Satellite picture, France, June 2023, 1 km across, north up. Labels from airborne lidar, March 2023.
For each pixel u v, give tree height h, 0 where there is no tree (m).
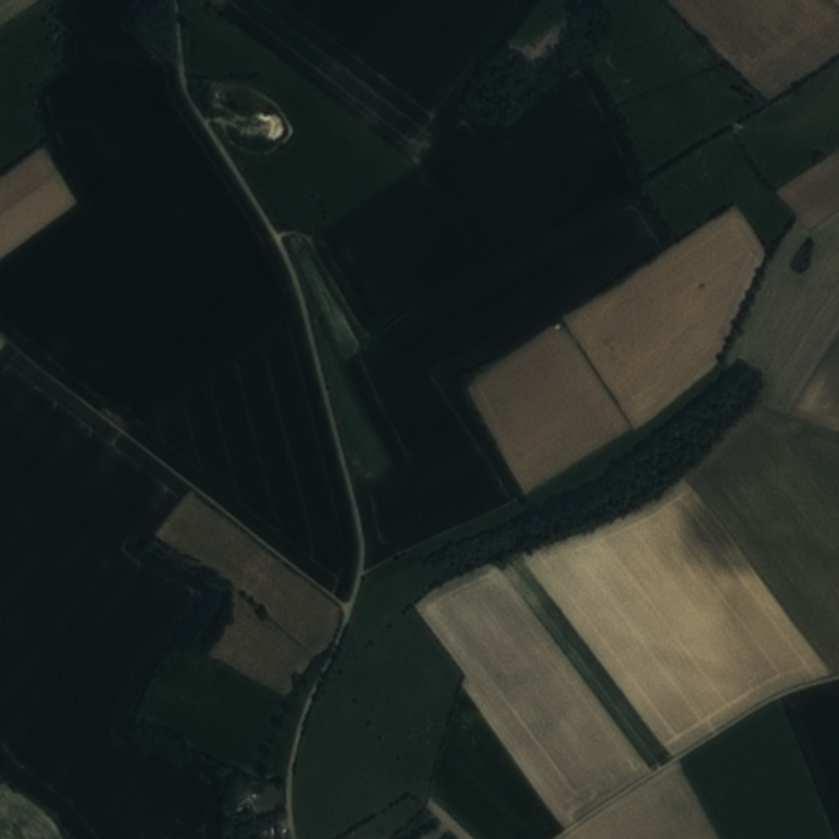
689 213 0
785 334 0
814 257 0
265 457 0
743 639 0
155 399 0
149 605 0
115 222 0
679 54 0
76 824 0
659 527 0
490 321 0
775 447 0
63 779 0
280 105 0
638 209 0
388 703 0
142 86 0
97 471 0
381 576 0
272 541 0
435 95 0
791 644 0
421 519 0
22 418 0
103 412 0
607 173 0
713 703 0
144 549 9
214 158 0
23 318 0
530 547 15
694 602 0
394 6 0
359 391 0
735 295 0
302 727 6
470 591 0
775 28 0
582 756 0
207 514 0
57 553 0
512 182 0
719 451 0
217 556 0
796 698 0
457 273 0
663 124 0
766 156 0
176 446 0
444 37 0
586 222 0
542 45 0
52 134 0
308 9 0
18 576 0
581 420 0
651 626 0
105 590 0
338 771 0
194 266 0
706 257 0
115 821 0
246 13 0
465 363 0
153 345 0
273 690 0
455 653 0
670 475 14
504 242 0
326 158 0
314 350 0
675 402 0
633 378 0
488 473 0
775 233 0
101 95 0
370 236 0
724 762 0
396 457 0
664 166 8
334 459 0
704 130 0
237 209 0
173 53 20
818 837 0
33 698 0
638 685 0
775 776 0
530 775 0
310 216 0
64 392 0
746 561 0
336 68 0
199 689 0
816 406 0
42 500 0
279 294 0
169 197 0
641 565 0
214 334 0
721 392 18
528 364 0
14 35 0
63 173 0
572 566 0
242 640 0
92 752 0
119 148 0
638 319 0
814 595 0
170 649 10
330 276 0
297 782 0
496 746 0
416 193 0
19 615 0
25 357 0
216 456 0
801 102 0
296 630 0
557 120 0
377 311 0
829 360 0
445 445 0
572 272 0
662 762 0
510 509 0
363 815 0
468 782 0
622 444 0
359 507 0
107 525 0
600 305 0
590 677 0
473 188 0
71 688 0
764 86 0
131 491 0
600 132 0
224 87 0
